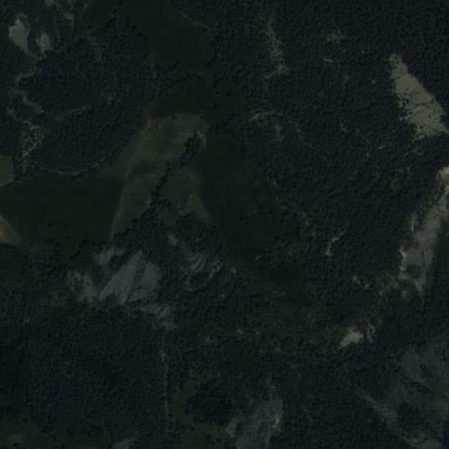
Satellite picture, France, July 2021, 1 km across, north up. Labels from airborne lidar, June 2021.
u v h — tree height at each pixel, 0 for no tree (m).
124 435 14
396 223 17
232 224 0
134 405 16
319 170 11
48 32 8
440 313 11
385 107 14
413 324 13
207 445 0
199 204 0
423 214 9
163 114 0
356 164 13
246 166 0
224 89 0
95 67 16
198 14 16
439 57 23
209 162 0
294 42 20
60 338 8
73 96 15
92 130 16
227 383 13
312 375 13
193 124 0
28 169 8
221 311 17
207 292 15
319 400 21
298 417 19
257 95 10
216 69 12
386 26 17
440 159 12
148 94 11
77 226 0
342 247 10
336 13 11
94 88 14
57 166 7
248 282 11
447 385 0
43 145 7
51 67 15
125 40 18
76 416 17
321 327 10
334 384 15
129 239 7
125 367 12
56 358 13
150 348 13
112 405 17
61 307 6
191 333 12
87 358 15
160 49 0
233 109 0
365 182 15
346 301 17
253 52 15
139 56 13
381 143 9
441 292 9
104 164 7
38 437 0
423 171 14
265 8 7
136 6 0
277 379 17
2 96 15
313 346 9
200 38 0
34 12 12
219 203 0
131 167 0
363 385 22
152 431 13
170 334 9
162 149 0
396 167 10
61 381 19
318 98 14
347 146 7
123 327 13
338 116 12
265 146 14
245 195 0
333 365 10
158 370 13
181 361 6
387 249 16
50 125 11
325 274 11
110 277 0
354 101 16
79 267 6
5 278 10
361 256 16
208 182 0
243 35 17
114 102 15
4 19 15
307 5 27
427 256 0
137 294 0
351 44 12
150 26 0
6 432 0
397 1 24
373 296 11
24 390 18
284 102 14
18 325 14
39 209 0
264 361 15
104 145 14
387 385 11
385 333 16
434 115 0
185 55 0
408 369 0
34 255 8
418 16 19
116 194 0
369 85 12
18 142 10
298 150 16
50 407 18
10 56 14
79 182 0
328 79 16
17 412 24
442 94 13
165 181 18
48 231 0
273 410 0
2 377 7
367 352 10
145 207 0
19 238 0
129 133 15
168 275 7
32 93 13
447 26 15
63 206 0
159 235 16
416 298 12
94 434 23
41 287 9
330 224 16
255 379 11
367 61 15
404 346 10
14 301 15
